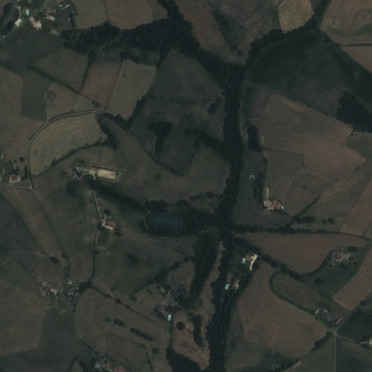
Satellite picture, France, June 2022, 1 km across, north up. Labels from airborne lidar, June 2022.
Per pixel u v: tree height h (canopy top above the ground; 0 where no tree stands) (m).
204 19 0
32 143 0
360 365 0
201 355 0
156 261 0
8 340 0
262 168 0
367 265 0
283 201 0
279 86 0
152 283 14
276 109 0
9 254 0
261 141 0
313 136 0
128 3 0
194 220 19
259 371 0
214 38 0
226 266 16
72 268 0
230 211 15
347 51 0
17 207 0
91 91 0
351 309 0
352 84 0
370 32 0
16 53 0
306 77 0
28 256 0
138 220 0
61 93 0
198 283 16
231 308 16
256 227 11
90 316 0
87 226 0
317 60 0
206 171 0
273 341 0
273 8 0
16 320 0
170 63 0
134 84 0
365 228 0
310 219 9
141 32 22
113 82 0
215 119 0
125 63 0
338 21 0
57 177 0
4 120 0
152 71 0
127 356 0
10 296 0
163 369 0
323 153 0
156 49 16
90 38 15
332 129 0
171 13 22
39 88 0
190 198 6
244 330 0
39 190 0
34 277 0
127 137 0
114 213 0
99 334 0
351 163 0
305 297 0
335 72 0
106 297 10
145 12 0
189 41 22
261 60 0
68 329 0
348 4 0
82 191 0
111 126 0
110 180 0
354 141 0
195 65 0
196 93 0
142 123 0
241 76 20
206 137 21
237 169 19
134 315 0
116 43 12
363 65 0
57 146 0
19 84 0
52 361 0
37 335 0
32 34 0
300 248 0
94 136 0
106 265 0
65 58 0
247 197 0
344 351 0
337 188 0
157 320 0
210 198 9
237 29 0
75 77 0
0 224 0
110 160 0
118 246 0
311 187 0
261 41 14
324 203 0
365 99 0
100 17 0
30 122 0
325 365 0
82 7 0
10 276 0
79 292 11
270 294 0
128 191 0
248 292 0
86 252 0
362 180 0
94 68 0
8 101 0
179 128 0
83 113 0
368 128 13
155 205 15
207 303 0
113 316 0
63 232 0
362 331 0
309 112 0
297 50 0
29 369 0
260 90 0
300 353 0
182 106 0
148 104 0
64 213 0
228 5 0
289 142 0
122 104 0
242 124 0
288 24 0
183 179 0
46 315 0
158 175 0
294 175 0
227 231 20
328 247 0
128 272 0
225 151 14
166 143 0
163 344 0
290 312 0
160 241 0
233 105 18
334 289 0
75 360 8
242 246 18
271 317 0
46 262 0
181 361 18
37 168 0
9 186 0
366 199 0
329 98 0
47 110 0
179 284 0
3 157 0
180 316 0
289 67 0
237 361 0
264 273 0
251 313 0
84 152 0
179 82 0
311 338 0
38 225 0
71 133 0
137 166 0
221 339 12
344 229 0
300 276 12
